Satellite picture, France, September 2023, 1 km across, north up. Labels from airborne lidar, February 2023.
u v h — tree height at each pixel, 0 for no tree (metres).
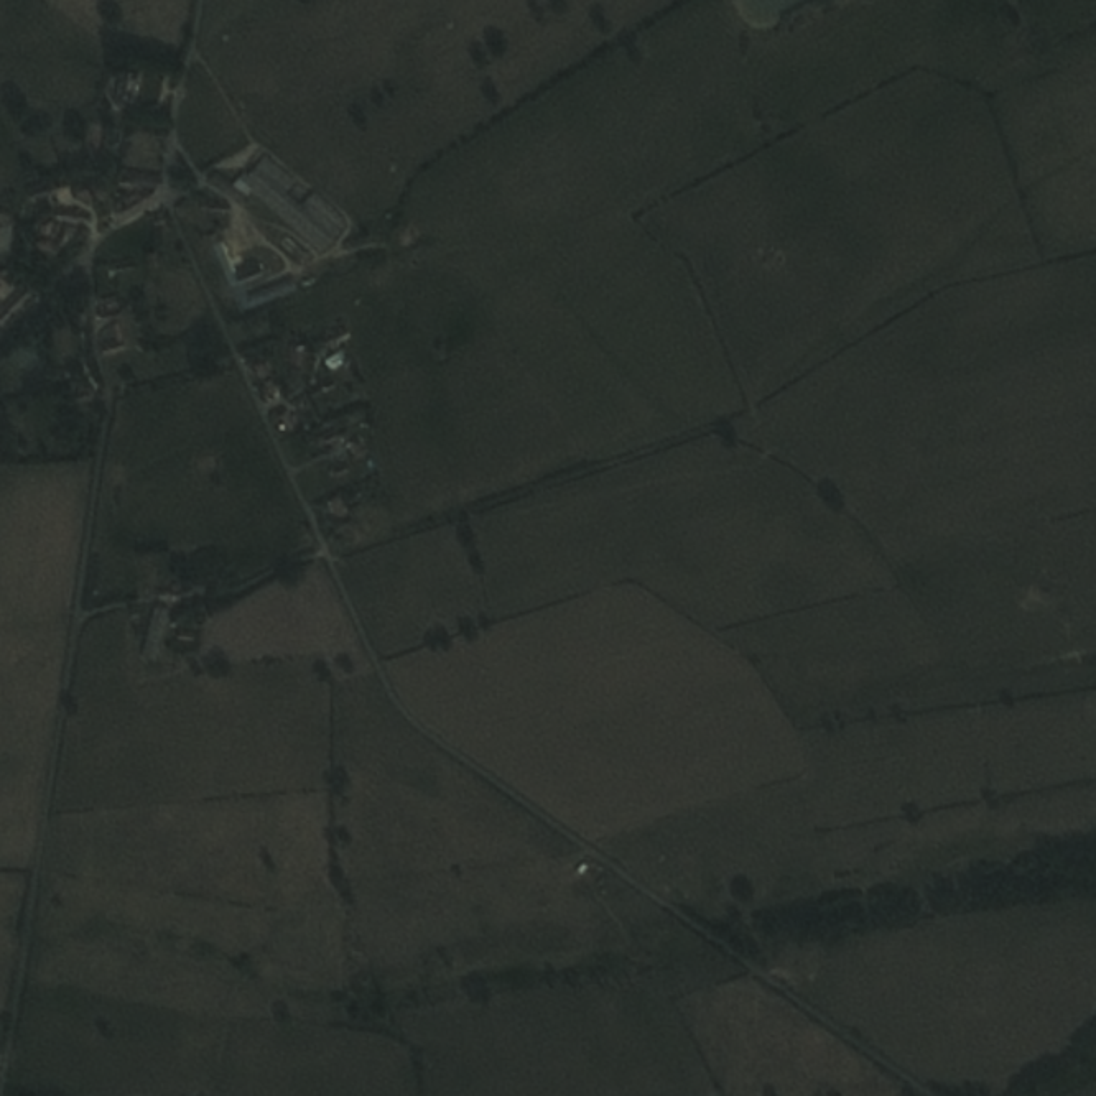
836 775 0
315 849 0
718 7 0
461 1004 0
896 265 0
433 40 0
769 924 15
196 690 0
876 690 0
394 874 0
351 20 0
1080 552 0
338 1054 0
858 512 0
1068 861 26
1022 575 0
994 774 0
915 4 0
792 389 0
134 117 18
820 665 0
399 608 0
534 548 0
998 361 0
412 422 0
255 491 0
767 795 0
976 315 0
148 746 0
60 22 0
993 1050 0
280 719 0
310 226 0
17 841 0
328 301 0
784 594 0
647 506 0
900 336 0
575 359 0
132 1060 0
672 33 0
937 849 0
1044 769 0
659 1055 0
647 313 0
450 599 0
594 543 0
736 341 0
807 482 0
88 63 0
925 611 0
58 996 0
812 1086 0
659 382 0
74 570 0
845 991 0
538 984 0
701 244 0
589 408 0
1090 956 0
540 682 0
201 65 0
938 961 0
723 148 0
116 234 0
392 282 0
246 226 0
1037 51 0
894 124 0
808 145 0
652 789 0
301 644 0
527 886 0
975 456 0
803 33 0
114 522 0
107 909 0
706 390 0
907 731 0
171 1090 0
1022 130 0
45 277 8
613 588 0
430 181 0
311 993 0
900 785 0
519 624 0
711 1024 0
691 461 0
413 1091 0
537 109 0
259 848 0
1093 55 0
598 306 0
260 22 0
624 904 0
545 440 0
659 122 0
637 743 0
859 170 0
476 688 0
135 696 0
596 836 0
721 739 0
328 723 0
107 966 0
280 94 0
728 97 0
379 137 0
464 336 0
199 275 0
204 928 0
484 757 0
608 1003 0
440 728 0
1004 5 0
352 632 0
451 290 0
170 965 0
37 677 0
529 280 0
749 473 0
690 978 0
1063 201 0
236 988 0
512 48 0
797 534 0
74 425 11
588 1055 0
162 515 0
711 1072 0
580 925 0
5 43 0
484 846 0
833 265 0
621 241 0
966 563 0
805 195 0
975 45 0
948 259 0
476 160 0
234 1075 0
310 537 0
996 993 0
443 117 0
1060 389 0
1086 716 0
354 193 0
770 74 0
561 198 0
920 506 0
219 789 0
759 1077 0
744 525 0
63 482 0
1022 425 0
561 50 0
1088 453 0
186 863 0
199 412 0
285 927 0
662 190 0
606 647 0
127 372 10
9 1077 0
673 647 0
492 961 0
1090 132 0
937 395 0
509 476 0
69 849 0
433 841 0
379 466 0
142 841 0
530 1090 0
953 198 0
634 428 0
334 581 0
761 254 0
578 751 0
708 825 0
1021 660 0
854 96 0
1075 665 0
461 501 0
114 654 0
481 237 0
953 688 0
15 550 0
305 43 0
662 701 0
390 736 0
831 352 0
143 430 0
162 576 0
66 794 0
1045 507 0
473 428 0
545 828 0
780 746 0
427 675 0
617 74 0
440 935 0
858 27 0
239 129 0
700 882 0
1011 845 0
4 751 0
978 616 0
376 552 0
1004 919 0
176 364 0
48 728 0
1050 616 0
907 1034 0
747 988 0
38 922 0
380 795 0
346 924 0
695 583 0
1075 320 0
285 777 0
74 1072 0
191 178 11
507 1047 0
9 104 17
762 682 0
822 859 0
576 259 0
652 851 0
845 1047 0
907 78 0
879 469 0
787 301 0
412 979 0
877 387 0
